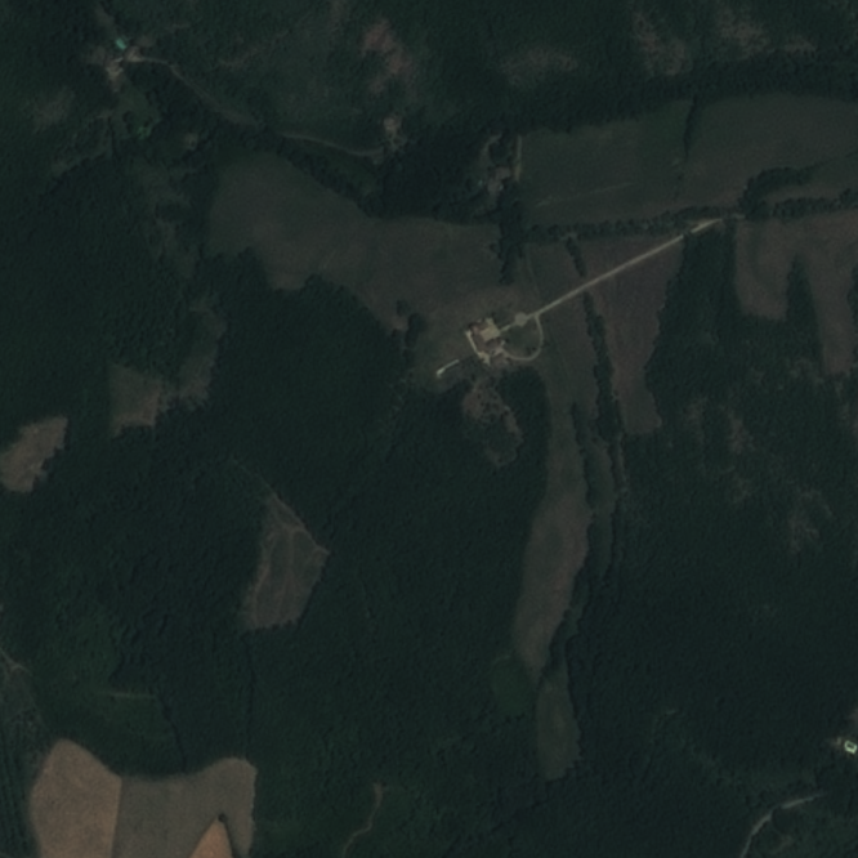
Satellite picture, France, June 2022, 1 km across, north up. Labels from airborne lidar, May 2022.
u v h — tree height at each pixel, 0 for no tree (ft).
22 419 68
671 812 66
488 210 22
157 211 28
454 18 43
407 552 43
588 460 42
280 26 33
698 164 0
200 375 0
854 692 45
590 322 26
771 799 48
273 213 0
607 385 29
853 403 17
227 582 67
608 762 53
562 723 0
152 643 81
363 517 63
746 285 0
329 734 60
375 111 28
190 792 0
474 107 28
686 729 34
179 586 86
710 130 0
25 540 72
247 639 50
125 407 0
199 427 51
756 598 27
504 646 55
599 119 54
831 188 0
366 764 74
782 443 26
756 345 18
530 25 28
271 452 50
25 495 59
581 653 58
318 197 0
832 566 34
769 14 28
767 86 51
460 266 0
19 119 20
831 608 43
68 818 0
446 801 40
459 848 60
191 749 42
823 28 44
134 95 0
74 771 0
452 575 54
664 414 40
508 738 69
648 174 0
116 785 0
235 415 38
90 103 36
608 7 25
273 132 58
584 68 22
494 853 20
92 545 60
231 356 54
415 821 50
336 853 33
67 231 59
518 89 26
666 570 29
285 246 0
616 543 37
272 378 40
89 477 53
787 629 36
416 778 60
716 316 23
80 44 52
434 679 58
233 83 40
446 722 47
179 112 75
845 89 59
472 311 0
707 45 30
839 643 48
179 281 46
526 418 33
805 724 56
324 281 39
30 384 41
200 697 54
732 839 40
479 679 46
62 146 27
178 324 49
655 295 0
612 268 0
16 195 64
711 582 39
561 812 66
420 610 55
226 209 0
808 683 62
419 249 0
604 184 0
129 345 53
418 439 55
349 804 30
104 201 51
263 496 40
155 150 69
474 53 41
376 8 33
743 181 0
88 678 25
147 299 31
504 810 74
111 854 0
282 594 0
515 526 55
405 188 67
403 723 59
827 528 25
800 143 0
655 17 32
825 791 45
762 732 51
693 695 57
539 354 0
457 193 73
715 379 30
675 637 53
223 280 49
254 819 19
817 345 27
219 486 43
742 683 70
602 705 61
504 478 34
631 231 34
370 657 71
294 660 54
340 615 52
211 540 56
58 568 52
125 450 52
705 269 35
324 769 60
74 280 55
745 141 0
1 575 25
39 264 41
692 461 20
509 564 38
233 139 70
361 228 0
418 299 0
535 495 40
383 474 43
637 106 72
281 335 49
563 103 54
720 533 30
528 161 0
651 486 28
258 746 34
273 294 30
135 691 26
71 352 57
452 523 39
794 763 34
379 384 41
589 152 0
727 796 51
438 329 0
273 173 0
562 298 0
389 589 58
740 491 22
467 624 54
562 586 0
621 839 64
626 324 0
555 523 0
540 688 26
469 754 53
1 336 27
